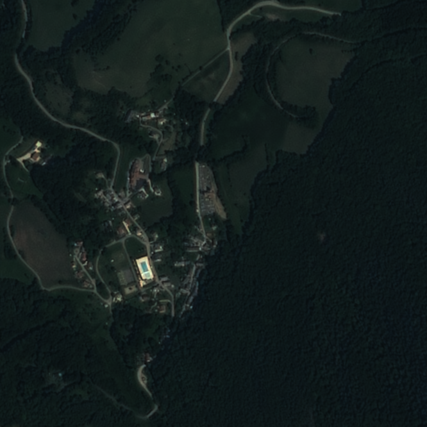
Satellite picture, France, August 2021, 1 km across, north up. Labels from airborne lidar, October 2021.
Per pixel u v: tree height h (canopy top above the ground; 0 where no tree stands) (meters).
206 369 21
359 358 20
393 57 20
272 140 0
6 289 30
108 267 8
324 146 25
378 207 28
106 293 0
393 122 24
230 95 0
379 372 19
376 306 11
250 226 22
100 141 14
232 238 20
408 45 22
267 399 19
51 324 19
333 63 0
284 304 23
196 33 0
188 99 16
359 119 20
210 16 0
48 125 22
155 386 7
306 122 23
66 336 17
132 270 0
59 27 0
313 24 12
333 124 24
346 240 21
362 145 20
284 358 16
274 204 23
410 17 25
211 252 0
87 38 20
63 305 28
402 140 22
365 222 27
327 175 23
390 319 13
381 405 18
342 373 6
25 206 0
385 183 12
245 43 0
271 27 11
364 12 18
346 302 18
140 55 0
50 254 0
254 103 0
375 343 16
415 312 14
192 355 26
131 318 21
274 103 10
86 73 0
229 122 0
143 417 0
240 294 17
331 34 14
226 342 20
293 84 0
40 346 28
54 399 28
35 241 0
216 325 20
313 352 17
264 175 19
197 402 21
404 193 9
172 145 0
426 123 24
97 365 34
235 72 0
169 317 15
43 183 28
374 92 27
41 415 20
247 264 28
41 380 22
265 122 0
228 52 0
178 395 13
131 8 6
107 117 19
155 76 14
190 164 20
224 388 18
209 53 0
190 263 8
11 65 14
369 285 8
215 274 17
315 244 27
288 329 23
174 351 16
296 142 0
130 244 0
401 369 15
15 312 36
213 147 9
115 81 0
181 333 17
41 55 15
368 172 26
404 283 18
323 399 19
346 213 22
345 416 10
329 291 20
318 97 0
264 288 18
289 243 19
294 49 0
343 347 13
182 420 16
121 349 15
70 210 26
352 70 23
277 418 9
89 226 6
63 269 0
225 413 9
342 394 8
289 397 12
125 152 0
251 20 0
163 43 0
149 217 0
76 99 16
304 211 26
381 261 14
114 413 17
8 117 18
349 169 27
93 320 6
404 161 21
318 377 21
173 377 23
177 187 13
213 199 0
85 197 7
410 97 26
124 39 0
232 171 0
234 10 15
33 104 18
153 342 22
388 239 21
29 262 0
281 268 18
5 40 22
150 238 6
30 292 19
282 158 12
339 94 22
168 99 0
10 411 27
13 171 0
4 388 32
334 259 24
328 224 22
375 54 20
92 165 24
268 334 19
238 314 17
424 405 8
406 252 25
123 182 0
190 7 0
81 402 16
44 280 0
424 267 24
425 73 23
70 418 13
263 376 15
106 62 0
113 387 13
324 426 11
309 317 18
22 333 22
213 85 0
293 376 16
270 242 23
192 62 0
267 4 0
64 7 0
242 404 15
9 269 0
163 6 0
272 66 8
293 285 25
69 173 27
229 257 18
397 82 23
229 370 13
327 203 19
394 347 14
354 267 15
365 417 15
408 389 19
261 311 22
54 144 28
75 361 22
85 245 11
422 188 18
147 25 0
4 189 17
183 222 13
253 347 10
